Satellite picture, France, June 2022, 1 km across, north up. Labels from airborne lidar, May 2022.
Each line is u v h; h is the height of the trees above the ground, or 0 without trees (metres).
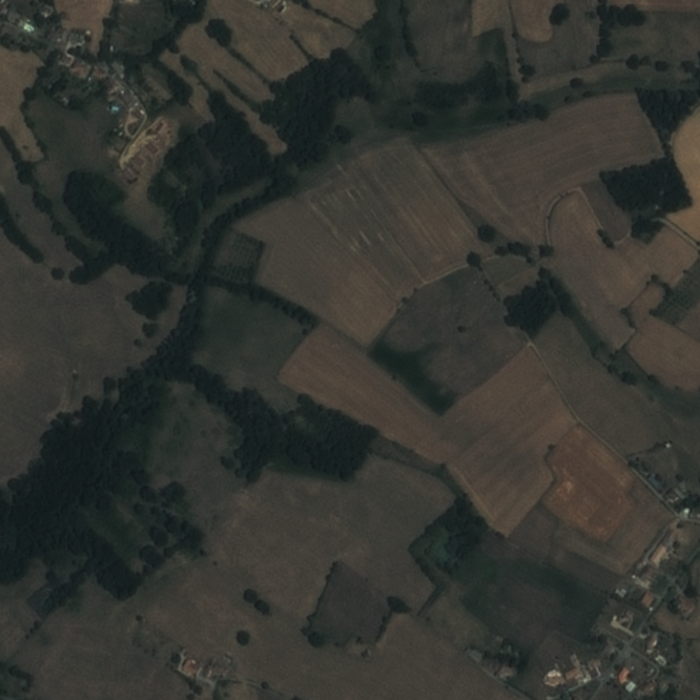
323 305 0
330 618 0
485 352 0
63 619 0
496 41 0
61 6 0
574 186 0
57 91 12
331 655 0
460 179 0
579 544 0
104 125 0
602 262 0
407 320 0
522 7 0
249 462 14
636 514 0
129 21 0
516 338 0
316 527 0
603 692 0
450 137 0
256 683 0
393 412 0
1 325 0
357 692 0
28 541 15
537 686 0
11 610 0
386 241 0
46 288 0
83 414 15
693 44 0
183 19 14
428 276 0
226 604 0
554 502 0
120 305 0
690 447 0
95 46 0
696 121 0
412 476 0
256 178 20
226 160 10
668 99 24
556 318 0
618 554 0
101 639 0
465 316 0
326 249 0
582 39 0
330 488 0
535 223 0
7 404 0
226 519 0
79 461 10
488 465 0
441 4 0
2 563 12
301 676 0
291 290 0
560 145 0
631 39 0
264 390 0
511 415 0
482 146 0
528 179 0
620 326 0
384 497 0
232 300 0
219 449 0
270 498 0
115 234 25
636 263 0
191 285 14
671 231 0
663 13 0
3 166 0
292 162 22
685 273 8
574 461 0
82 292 0
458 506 13
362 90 24
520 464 0
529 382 0
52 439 22
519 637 0
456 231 0
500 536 8
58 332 0
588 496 0
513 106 10
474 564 0
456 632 0
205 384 24
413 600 0
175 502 28
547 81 0
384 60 13
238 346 0
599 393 0
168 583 0
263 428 30
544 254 14
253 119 0
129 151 0
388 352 0
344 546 0
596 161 0
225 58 0
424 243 0
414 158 0
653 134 0
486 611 0
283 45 0
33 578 0
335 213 0
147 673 0
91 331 0
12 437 0
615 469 0
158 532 21
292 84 15
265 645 0
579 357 0
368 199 0
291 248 0
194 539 17
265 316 0
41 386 0
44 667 0
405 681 0
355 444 13
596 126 0
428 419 0
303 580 0
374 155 0
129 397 13
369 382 0
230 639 0
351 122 0
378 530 0
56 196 0
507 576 0
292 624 0
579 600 0
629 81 0
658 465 0
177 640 0
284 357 0
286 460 0
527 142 0
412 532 0
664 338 0
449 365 0
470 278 0
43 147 9
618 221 0
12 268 0
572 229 0
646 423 0
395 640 0
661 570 0
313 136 25
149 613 0
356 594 0
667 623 0
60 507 18
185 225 17
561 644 0
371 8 0
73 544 19
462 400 0
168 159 14
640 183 18
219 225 10
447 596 0
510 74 9
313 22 0
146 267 23
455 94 8
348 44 0
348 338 0
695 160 0
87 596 0
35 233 0
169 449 0
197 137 7
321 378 0
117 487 30
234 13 0
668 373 0
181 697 0
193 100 0
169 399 0
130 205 0
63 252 0
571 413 0
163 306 13
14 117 0
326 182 0
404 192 0
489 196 0
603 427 0
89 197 18
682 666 0
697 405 0
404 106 0
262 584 0
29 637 7
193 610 0
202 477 0
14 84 0
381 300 0
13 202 0
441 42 0
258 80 0
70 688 0
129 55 13
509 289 0
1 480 0
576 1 0
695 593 16
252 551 0
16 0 0
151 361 14
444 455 0
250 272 9
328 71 19
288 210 0
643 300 0
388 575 0
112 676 0
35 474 16
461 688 0
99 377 0
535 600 0
